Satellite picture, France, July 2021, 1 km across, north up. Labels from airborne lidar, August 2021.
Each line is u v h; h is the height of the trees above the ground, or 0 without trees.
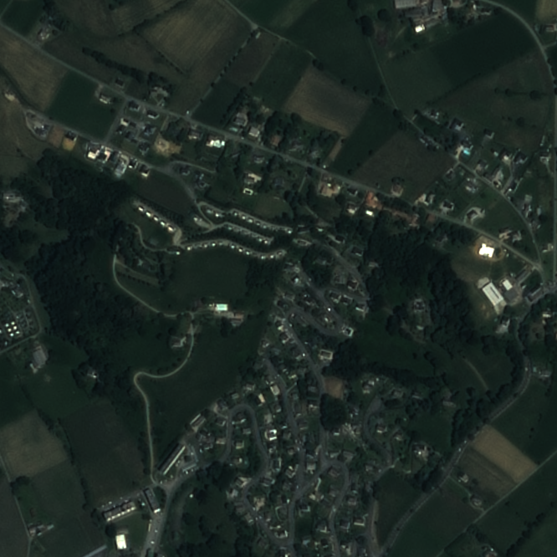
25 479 13
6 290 9
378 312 16
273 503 11
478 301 0
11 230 11
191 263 0
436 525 0
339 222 9
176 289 0
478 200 0
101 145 0
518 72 0
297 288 0
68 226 17
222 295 0
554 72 10
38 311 0
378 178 0
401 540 0
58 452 0
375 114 0
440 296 27
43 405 0
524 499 0
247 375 10
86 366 16
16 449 0
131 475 0
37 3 0
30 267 16
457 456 0
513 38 0
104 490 0
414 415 14
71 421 0
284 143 13
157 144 0
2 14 0
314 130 0
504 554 5
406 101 0
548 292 0
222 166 10
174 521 0
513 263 0
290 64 0
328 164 0
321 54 0
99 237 17
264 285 14
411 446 10
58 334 23
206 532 18
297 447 0
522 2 0
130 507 0
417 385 9
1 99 0
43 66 0
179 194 0
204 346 0
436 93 0
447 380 21
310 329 7
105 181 9
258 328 0
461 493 0
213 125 0
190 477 0
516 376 17
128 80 0
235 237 9
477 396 31
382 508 0
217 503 0
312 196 14
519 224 0
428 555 0
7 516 0
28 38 0
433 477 22
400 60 0
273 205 0
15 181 9
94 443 0
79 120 0
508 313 13
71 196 15
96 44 0
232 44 0
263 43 0
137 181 0
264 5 0
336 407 21
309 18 0
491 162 0
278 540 0
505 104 0
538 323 9
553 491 0
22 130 0
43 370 0
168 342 7
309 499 0
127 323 12
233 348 0
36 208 11
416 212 14
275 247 10
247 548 13
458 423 23
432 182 0
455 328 10
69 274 23
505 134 0
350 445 0
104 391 19
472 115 0
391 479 0
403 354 0
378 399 0
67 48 0
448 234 16
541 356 0
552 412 0
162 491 7
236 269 0
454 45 0
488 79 0
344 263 0
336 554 0
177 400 0
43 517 0
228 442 0
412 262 24
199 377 0
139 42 0
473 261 0
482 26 0
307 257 13
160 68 0
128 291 0
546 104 0
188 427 12
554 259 0
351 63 0
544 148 6
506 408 0
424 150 0
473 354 0
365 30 17
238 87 0
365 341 0
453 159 0
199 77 0
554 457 0
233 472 21
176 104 0
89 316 13
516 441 0
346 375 30
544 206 0
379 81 0
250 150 14
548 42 0
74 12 0
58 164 15
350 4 13
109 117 0
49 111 0
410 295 10
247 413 7
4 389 0
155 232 0
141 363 0
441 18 9
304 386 7
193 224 0
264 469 0
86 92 0
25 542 0
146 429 0
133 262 8
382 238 15
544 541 0
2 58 0
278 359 12
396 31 0
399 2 0
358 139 0
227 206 10
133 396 18
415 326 8
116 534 10
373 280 15
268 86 0
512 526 0
